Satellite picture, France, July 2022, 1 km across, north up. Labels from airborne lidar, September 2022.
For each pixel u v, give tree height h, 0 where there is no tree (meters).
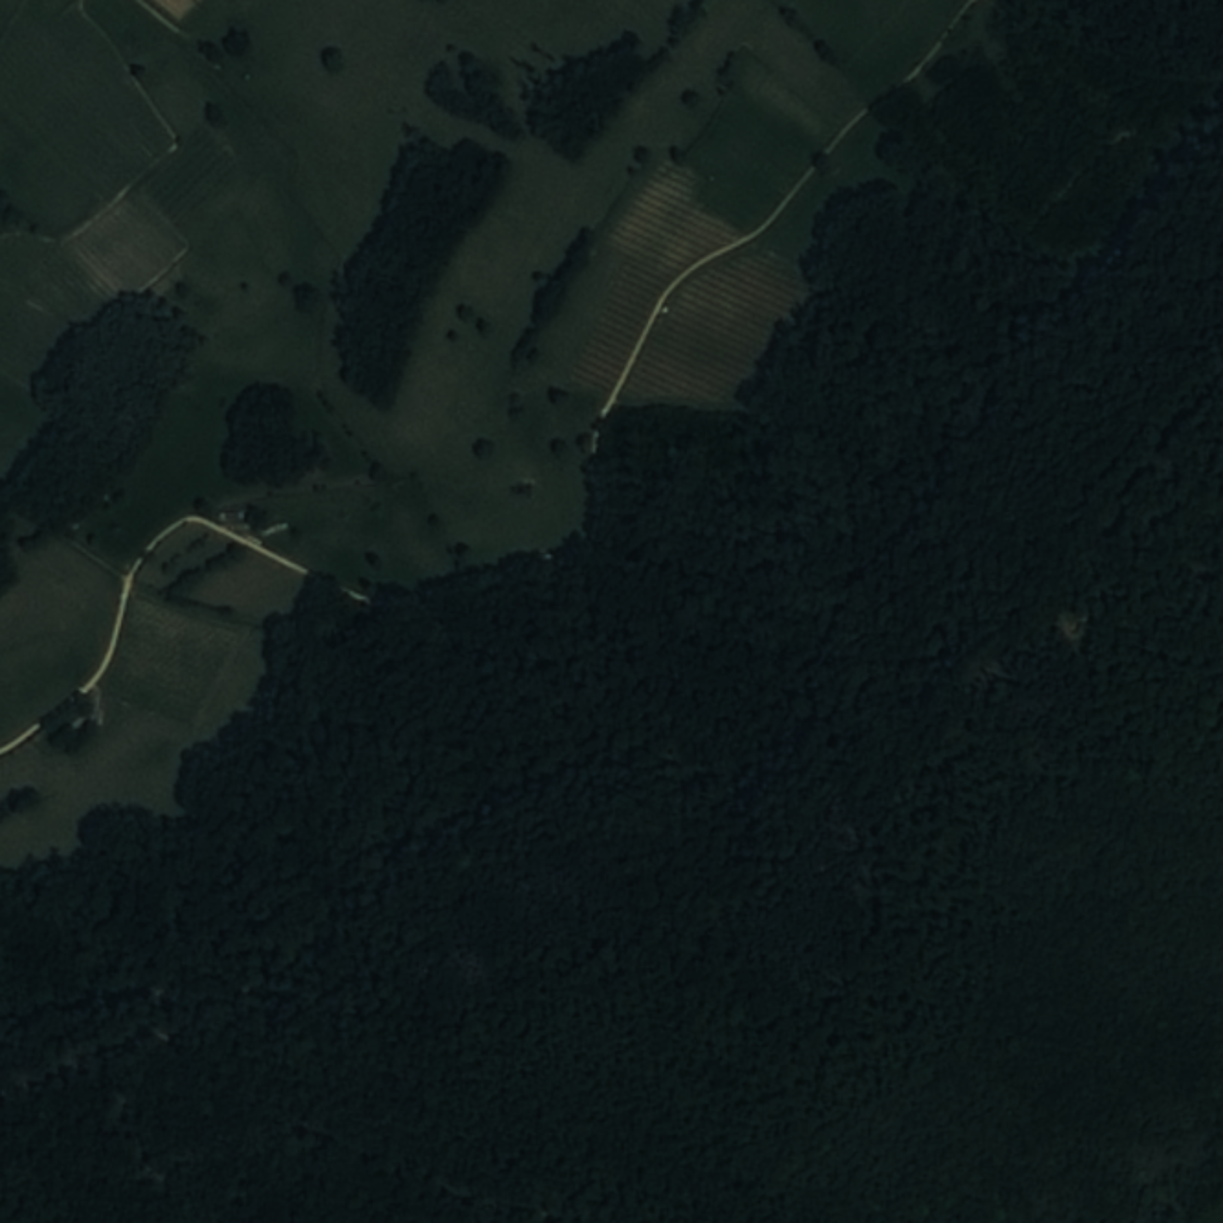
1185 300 27
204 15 0
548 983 18
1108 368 27
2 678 0
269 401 23
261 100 0
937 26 0
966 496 27
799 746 24
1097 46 24
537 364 11
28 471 19
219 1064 20
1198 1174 13
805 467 34
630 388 0
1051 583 19
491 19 0
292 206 0
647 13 0
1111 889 9
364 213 0
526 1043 13
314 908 24
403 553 0
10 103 0
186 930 20
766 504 29
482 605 24
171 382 11
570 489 0
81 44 0
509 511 0
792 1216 17
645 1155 17
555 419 0
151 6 0
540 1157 19
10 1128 18
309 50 0
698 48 0
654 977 16
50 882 30
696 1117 16
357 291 19
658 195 0
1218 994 8
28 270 0
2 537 7
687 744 26
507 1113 16
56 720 12
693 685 33
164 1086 21
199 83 0
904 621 28
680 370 0
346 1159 28
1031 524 24
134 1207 15
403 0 0
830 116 0
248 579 0
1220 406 18
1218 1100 10
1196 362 19
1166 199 32
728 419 6
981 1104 12
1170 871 7
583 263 14
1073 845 11
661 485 26
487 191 23
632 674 30
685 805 23
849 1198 13
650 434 7
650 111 0
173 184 0
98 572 0
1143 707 16
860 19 0
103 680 0
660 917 21
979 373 31
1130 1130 10
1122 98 9
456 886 23
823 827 22
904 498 31
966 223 25
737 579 21
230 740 19
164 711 0
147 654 0
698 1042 14
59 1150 18
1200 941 7
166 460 0
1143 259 26
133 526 0
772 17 0
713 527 30
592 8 0
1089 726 18
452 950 18
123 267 0
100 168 0
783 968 21
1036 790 9
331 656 25
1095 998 13
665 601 26
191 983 25
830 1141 10
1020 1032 14
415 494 0
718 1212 18
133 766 0
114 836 29
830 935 23
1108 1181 11
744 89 0
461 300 0
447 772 29
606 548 26
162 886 31
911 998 15
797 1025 21
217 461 0
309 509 0
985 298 18
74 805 0
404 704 34
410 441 0
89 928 27
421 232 21
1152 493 18
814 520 33
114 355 21
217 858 28
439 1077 22
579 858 21
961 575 27
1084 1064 11
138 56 0
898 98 9
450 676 27
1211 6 28
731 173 0
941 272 22
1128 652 19
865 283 28
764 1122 17
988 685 17
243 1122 20
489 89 22
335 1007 26
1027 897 11
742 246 0
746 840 22
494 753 25
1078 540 22
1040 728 16
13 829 0
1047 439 26
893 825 21
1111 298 26
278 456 26
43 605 0
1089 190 7
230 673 0
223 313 0
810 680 22
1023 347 22
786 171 0
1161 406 27
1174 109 7
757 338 0
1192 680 19
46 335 0
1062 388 26
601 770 26
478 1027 21
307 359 0
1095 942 10
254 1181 19
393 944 19
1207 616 14
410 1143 22
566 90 16
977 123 8
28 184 0
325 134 0
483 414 0
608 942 9
